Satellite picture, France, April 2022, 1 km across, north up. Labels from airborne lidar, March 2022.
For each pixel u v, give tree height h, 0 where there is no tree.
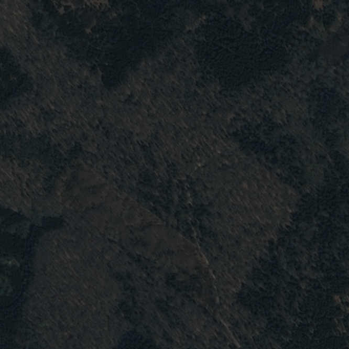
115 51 15
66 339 24
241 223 25
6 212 20
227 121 21
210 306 8
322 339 25
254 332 24
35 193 24
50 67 25
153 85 23
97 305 23
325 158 21
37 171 24
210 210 23
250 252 24
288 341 22
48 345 26
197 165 15
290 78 27
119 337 26
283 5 19
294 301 17
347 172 20
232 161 23
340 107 21
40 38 23
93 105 26
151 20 16
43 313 25
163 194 23
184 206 26
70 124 23
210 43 32
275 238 24
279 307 18
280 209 25
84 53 13
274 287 28
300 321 19
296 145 28
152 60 20
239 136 21
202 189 23
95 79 22
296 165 26
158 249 11
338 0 26
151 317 24
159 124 25
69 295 26
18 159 24
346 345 25
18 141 25
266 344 24
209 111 24
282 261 22
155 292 21
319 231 21
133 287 25
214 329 25
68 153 20
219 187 20
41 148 27
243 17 8
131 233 19
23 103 25
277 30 22
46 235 26
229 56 33
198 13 17
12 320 25
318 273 21
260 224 25
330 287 16
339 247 22
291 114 20
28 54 25
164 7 16
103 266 26
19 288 17
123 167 19
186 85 22
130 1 18
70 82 22
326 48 6
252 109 23
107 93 23
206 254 18
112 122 23
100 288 26
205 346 25
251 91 22
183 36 18
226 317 24
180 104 24
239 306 19
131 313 29
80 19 8
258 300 29
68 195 8
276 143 19
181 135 23
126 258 27
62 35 25
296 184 26
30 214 19
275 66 31
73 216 24
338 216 20
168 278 10
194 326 24
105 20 10
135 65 21
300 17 20
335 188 27
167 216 22
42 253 21
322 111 23
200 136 24
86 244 29
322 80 22
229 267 24
